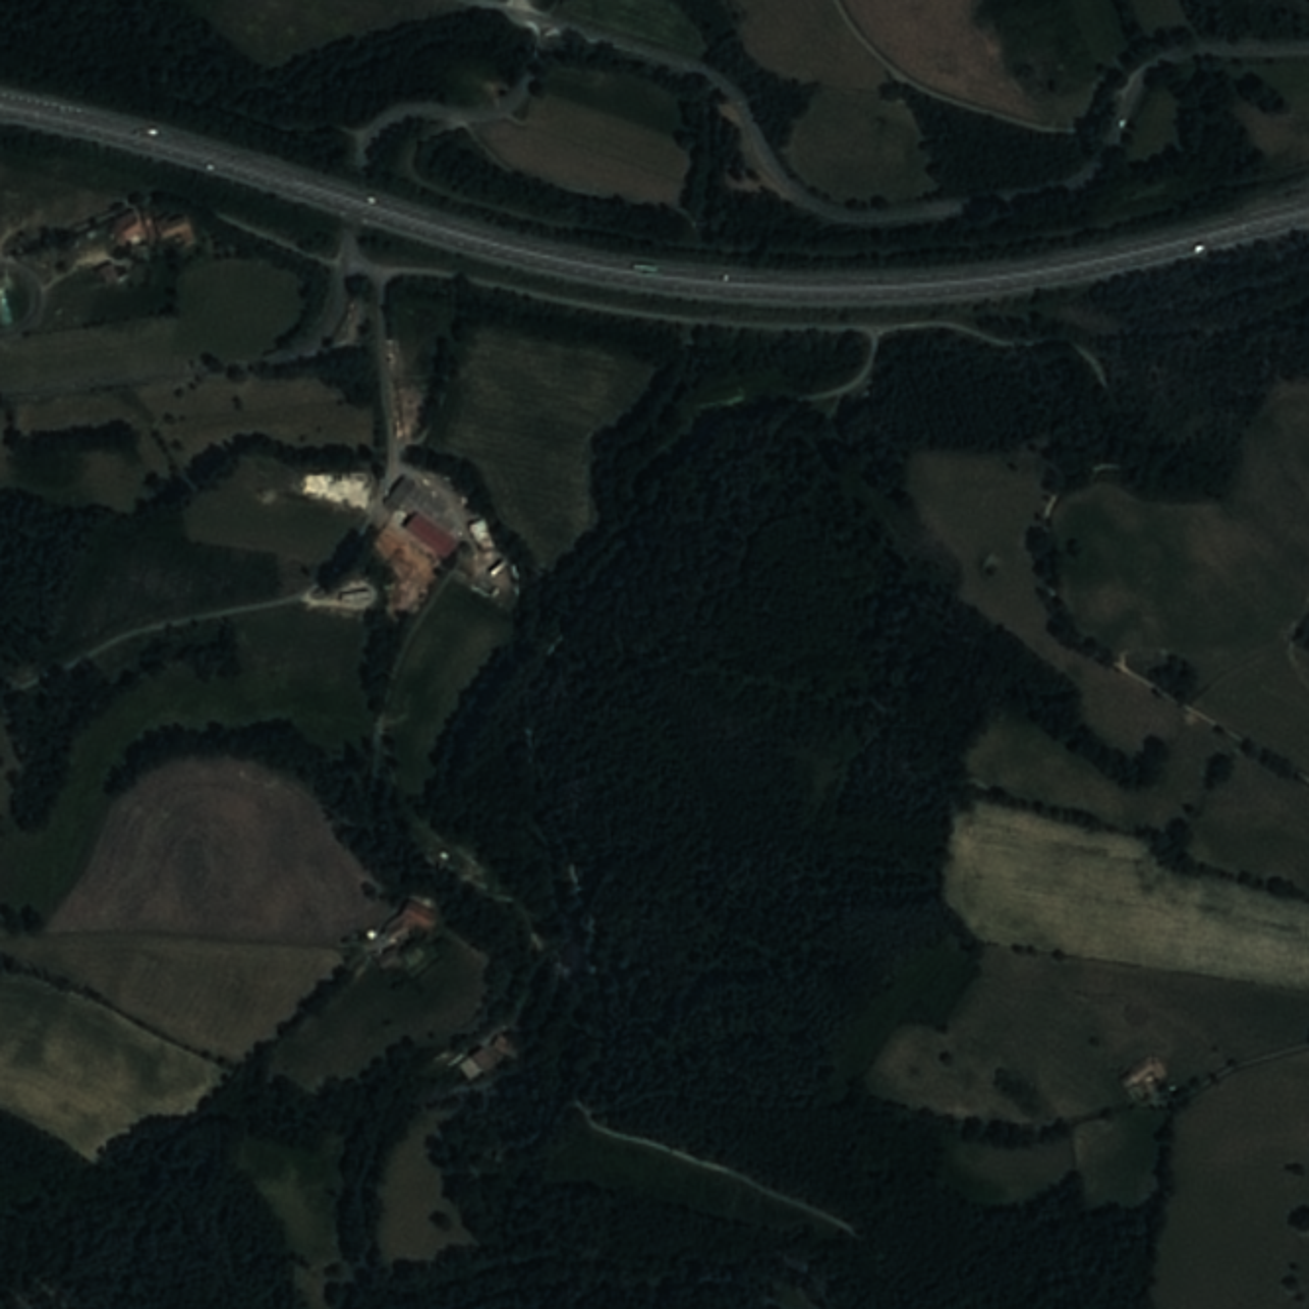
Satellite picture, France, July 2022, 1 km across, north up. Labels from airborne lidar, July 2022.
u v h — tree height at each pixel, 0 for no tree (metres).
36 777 11
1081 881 0
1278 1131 0
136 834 0
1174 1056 0
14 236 0
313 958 0
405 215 0
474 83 0
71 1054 0
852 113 0
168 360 0
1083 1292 10
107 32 10
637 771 16
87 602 0
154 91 18
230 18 0
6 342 0
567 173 0
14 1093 0
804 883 15
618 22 0
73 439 18
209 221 17
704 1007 26
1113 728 0
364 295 10
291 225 9
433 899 7
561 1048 8
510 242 0
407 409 0
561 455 0
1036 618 0
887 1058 0
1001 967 0
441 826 11
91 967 0
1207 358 7
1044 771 0
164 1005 0
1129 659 0
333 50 9
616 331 12
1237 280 12
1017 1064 0
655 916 17
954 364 11
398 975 6
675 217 15
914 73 0
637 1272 16
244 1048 0
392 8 0
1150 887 0
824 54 0
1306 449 0
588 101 0
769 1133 12
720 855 16
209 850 0
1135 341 10
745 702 12
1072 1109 0
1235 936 0
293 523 0
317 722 0
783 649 13
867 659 8
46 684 17
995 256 8
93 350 0
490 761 16
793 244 16
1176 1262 0
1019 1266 14
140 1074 0
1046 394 15
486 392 0
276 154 11
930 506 0
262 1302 16
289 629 0
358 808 24
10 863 0
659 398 16
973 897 0
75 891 0
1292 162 0
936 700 25
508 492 0
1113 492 0
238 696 0
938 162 10
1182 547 0
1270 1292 0
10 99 0
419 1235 0
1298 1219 13
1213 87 18
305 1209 0
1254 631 0
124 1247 24
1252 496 0
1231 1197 0
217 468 28
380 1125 22
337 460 21
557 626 23
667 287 0
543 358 0
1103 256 0
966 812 10
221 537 0
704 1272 32
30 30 15
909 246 14
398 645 16
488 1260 20
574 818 15
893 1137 9
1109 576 0
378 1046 0
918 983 0
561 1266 23
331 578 19
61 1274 16
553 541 0
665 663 9
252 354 0
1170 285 6
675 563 25
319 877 0
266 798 0
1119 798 0
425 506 0
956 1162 0
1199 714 0
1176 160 23
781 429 28
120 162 6
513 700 28
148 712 0
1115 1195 0
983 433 12
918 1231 22
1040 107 0
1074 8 0
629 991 21
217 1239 22
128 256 8
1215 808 0
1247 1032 0
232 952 0
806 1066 24
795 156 0
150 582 0
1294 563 0
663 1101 17
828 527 13
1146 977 0
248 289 0
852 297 0
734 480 26
